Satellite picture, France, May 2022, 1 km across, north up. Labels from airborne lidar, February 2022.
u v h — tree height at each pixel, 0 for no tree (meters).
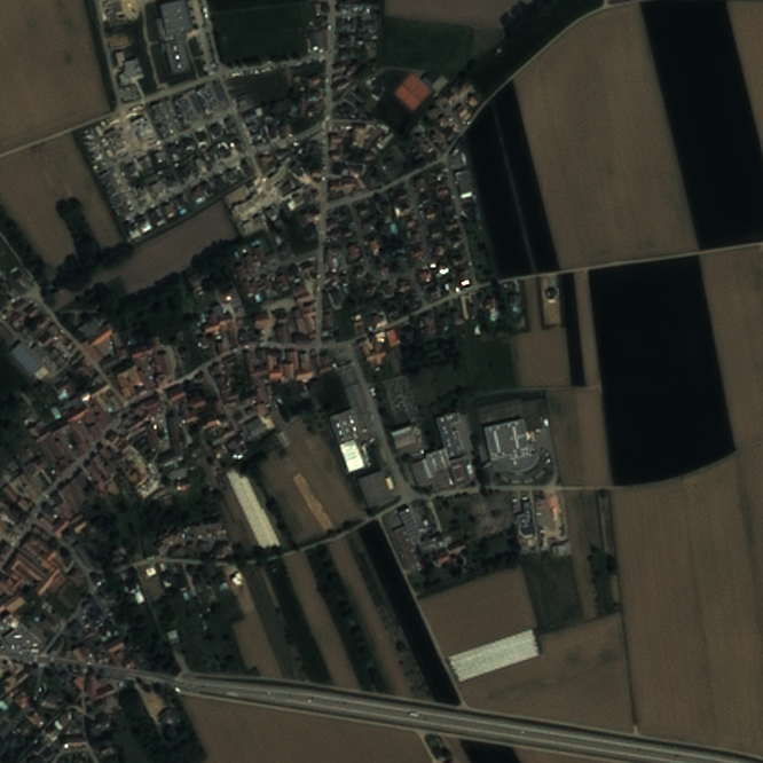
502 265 0
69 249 0
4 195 0
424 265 0
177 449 0
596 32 0
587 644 0
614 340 0
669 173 0
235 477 0
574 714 0
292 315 0
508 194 0
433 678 0
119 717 0
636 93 0
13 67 0
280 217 0
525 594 0
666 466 0
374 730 0
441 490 0
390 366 0
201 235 0
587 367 0
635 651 0
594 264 0
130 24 0
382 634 0
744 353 0
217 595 0
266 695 0
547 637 0
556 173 0
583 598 0
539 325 0
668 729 0
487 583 0
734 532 0
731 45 0
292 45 0
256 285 0
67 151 0
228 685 0
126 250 16
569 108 0
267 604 0
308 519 0
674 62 0
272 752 0
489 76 0
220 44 12
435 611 0
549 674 0
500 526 0
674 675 0
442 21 0
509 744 0
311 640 0
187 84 0
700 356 0
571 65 0
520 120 0
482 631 0
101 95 0
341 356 0
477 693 0
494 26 0
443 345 14
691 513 0
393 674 0
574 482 0
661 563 0
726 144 0
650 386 0
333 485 0
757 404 0
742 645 0
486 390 0
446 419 0
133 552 8
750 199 0
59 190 0
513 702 0
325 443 0
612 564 7
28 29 0
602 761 0
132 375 0
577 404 0
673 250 0
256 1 0
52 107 0
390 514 0
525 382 0
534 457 0
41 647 0
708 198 0
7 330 0
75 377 14
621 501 0
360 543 0
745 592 0
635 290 0
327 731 0
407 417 0
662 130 0
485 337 0
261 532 0
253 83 0
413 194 0
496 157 0
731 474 0
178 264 0
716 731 0
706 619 0
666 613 0
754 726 0
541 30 0
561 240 0
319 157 0
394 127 0
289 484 0
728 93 0
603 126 0
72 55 0
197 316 10
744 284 0
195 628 0
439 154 0
